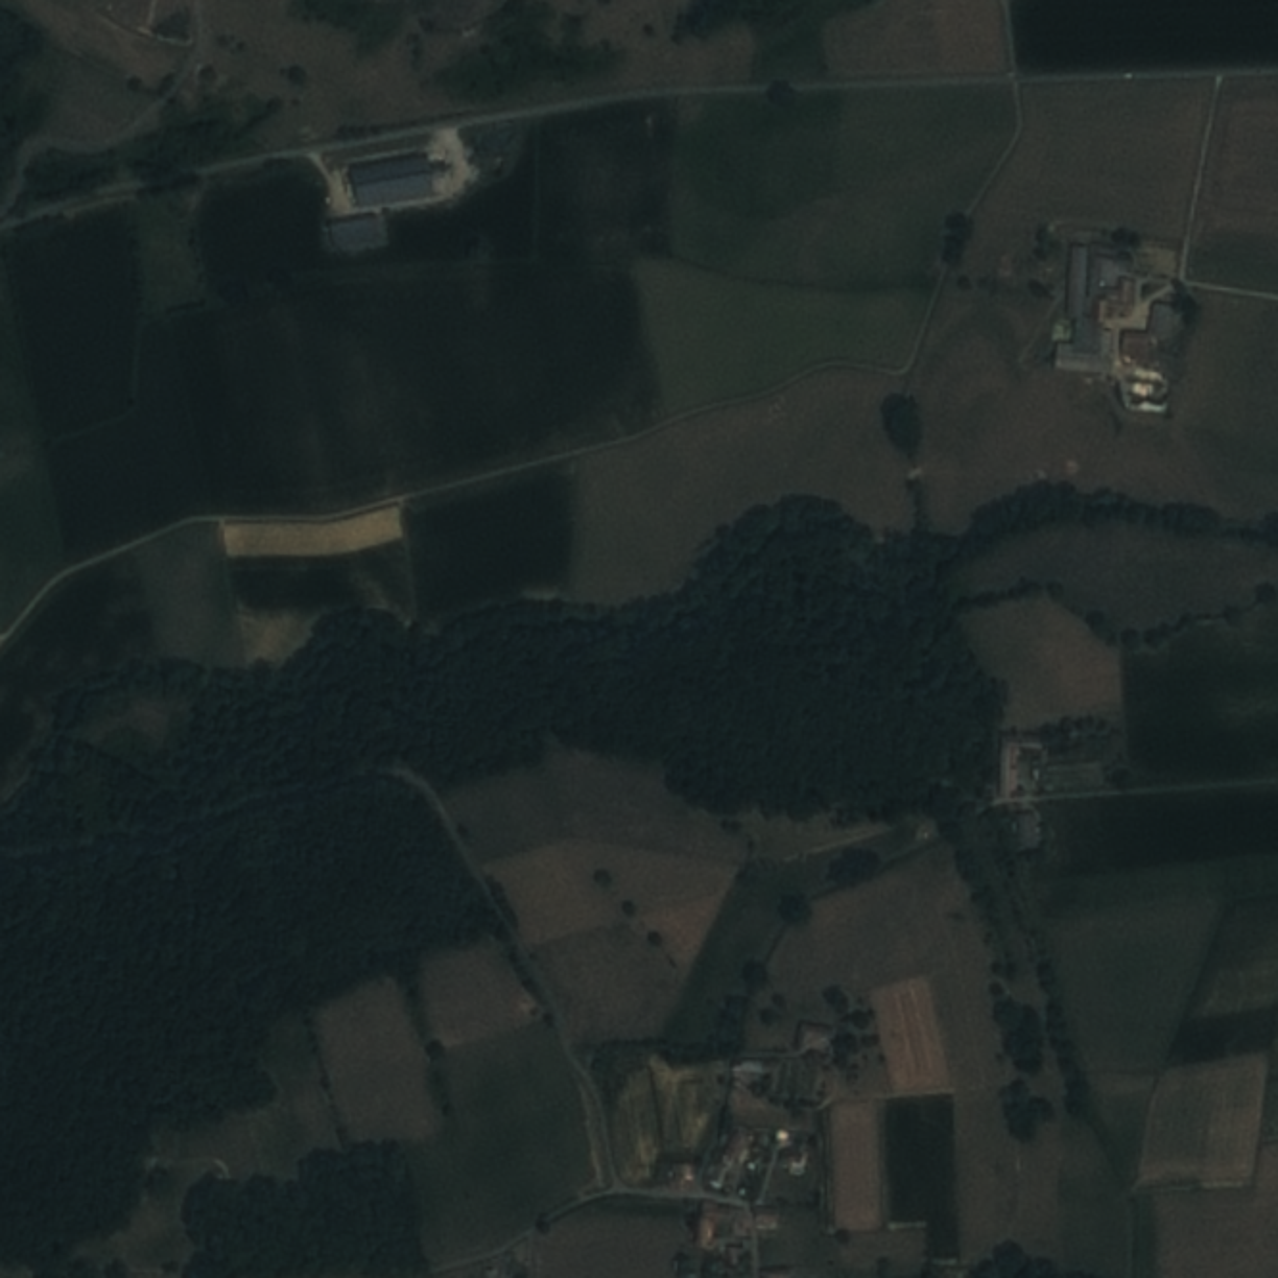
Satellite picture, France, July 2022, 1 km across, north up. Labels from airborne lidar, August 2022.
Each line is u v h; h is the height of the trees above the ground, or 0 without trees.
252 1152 0
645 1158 0
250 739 12
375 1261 21
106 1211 23
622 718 22
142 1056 22
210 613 0
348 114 0
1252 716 0
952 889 0
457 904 16
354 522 0
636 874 0
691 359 0
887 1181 0
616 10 0
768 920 0
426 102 0
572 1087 0
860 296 0
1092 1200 0
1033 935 8
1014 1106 15
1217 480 0
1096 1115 0
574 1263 0
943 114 0
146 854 27
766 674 26
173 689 17
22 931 15
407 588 0
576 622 6
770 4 8
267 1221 19
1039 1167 0
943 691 31
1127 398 0
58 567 0
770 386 0
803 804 29
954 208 0
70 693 10
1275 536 20
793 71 0
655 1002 0
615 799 0
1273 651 0
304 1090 0
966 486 0
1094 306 0
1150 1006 0
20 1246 20
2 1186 12
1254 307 0
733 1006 12
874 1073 0
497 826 0
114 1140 22
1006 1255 20
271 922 20
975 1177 0
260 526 0
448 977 0
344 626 19
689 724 22
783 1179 0
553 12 0
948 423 0
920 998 0
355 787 23
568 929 0
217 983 24
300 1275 9
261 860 16
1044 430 0
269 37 0
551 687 23
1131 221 0
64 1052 25
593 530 0
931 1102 0
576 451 0
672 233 0
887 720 23
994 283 8
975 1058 0
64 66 0
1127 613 0
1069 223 0
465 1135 0
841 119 0
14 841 24
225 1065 13
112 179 8
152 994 10
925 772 26
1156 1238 0
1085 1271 0
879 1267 8
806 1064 7
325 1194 18
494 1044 0
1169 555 0
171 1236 0
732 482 0
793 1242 0
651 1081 0
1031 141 0
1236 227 0
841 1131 0
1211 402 0
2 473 0
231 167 0
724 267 0
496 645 24
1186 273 0
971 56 0
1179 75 0
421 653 15
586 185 0
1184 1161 0
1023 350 0
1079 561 0
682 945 0
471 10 0
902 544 20
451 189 0
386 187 0
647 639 33
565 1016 0
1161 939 0
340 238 0
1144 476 0
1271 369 0
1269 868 0
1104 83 0
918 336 0
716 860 0
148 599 0
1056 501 24
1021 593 10
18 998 24
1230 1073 0
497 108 0
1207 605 0
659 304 0
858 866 21
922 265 0
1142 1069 0
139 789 18
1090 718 8
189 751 7
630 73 0
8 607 0
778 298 0
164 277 0
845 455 0
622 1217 0
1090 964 0
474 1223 0
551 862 0
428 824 20
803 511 20
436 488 0
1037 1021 21
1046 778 0
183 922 24
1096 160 0
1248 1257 0
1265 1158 0
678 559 0
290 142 0
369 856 21
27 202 12
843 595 18
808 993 0
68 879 20
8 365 0
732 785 27
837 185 0
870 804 13
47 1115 24
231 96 0
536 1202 0
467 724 26
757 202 0
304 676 24
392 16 0
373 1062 0
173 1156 0
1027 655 0
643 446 0
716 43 0
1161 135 0
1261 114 0
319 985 19
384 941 14
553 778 0
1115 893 0
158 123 0
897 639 30
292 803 18
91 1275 16
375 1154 16
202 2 0
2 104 13
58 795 10
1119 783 12
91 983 25
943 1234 0
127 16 0
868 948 0
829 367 0
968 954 0
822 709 25
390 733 28
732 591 18
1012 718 0
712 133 0
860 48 0
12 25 18
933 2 0
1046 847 6
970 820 19
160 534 0
